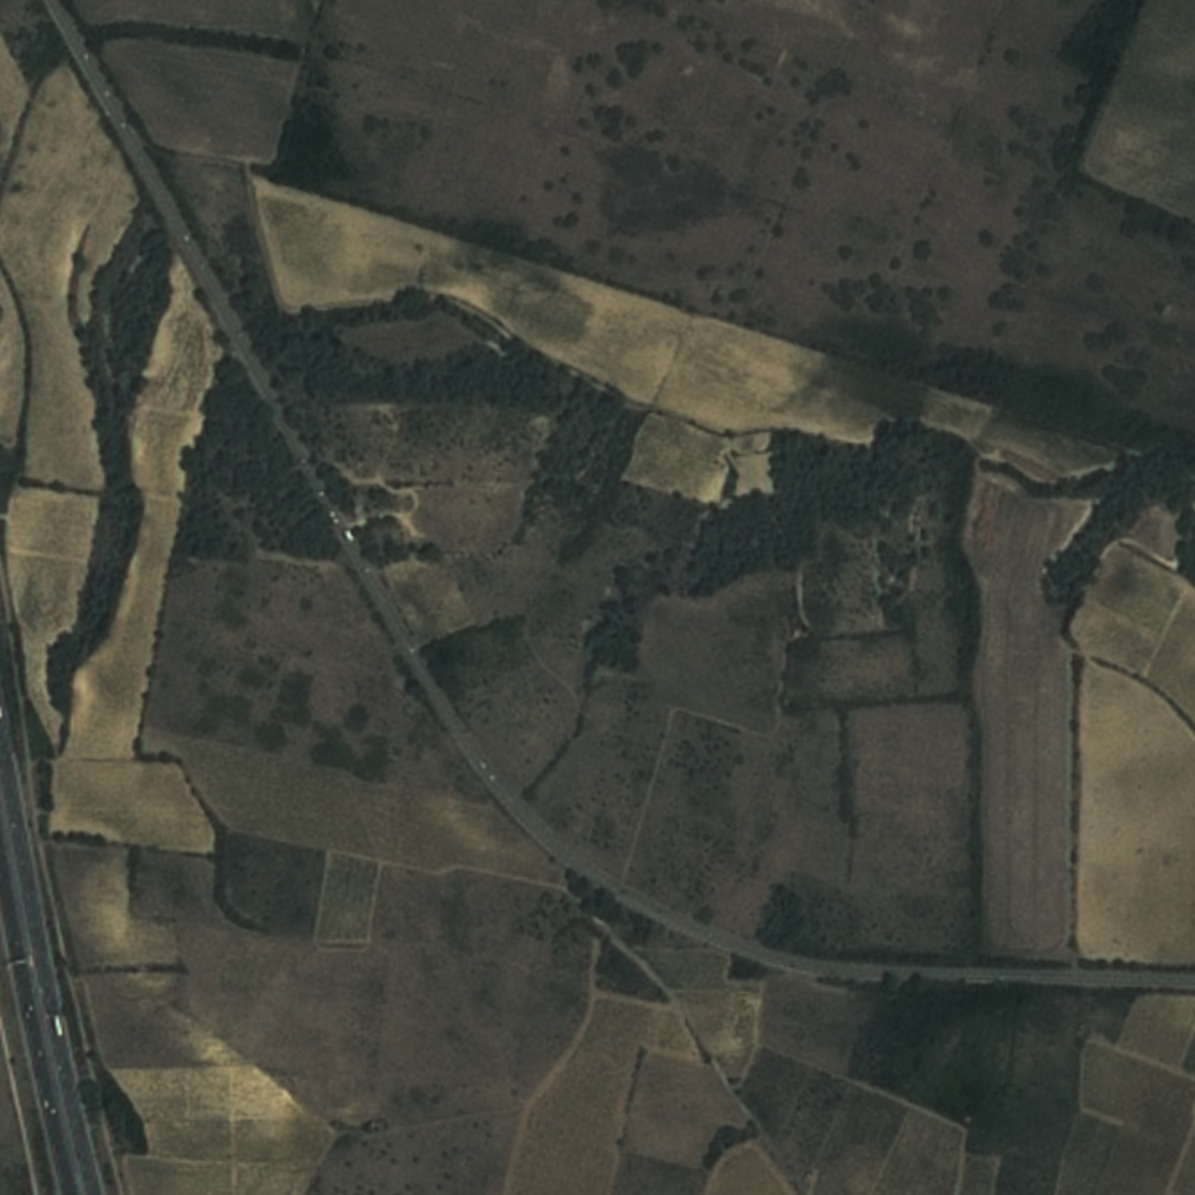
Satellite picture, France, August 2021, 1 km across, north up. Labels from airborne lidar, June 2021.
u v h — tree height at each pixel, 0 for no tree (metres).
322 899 0
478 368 10
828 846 0
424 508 0
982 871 0
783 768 0
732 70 0
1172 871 0
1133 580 0
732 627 0
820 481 9
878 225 0
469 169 0
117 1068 0
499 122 0
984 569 0
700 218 0
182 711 0
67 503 0
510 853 0
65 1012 7
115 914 0
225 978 0
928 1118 0
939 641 0
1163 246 0
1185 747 0
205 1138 0
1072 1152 0
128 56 0
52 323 0
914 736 0
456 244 0
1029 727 0
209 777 0
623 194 0
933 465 9
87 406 0
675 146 0
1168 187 0
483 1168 0
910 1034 7
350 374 9
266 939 0
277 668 0
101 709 0
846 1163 0
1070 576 11
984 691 0
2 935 0
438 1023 0
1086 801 0
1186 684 0
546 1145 0
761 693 0
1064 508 0
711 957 0
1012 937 0
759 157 0
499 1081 0
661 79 0
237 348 0
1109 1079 0
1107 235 0
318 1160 0
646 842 0
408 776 0
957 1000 11
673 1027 0
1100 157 0
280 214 0
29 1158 0
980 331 0
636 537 0
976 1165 0
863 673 0
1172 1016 0
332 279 0
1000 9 0
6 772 0
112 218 0
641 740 0
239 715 0
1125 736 0
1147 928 0
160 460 0
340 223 0
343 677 0
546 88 0
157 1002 0
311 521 9
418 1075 0
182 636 0
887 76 0
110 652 0
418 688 13
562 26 0
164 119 0
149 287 7
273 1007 0
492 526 0
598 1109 0
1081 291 0
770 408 0
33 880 0
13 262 0
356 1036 0
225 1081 0
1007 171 0
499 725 0
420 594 0
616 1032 0
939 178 0
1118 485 8
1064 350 0
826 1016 0
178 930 0
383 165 0
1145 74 0
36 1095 0
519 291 0
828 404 0
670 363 0
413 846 0
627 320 0
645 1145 0
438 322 0
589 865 0
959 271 0
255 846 0
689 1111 0
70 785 0
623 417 8
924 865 0
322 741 0
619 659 11
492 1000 0
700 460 0
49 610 0
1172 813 0
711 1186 0
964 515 7
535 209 0
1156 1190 0
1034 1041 0
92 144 0
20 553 0
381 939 0
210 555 10
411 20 0
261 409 16
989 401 10
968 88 0
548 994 0
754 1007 0
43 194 0
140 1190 0
